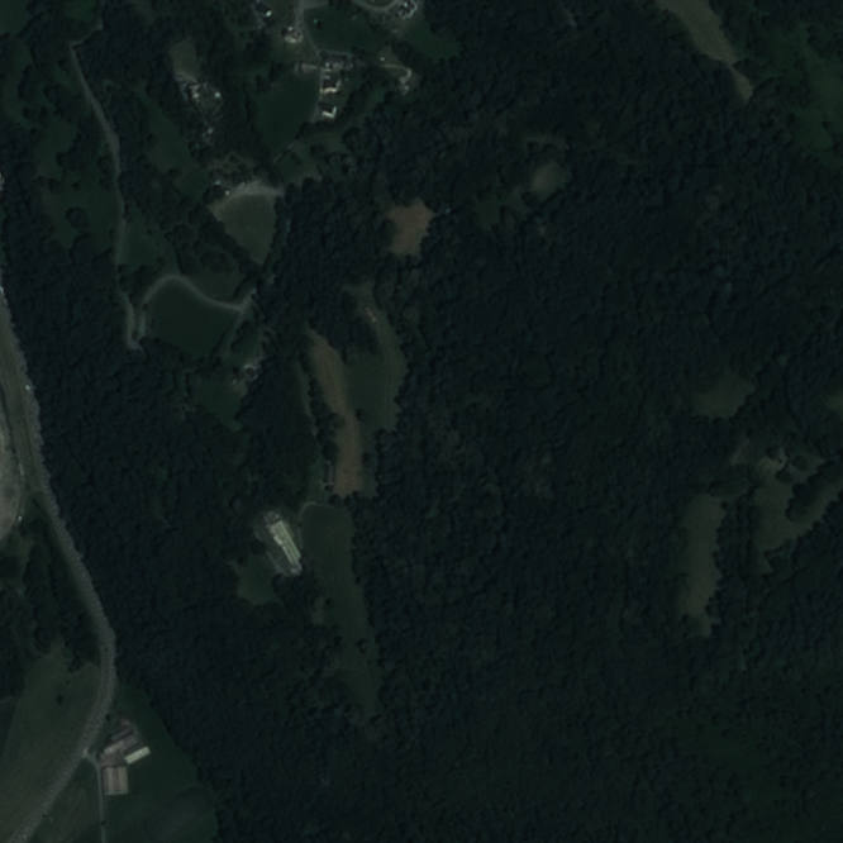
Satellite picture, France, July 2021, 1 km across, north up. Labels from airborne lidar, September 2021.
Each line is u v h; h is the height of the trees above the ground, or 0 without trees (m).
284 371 27
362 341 17
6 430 0
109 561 15
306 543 0
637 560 20
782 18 17
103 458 13
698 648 24
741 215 30
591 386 20
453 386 23
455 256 19
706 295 26
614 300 20
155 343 11
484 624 15
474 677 23
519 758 17
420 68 12
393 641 26
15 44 17
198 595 18
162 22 9
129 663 19
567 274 22
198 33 7
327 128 14
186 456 18
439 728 22
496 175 17
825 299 13
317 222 12
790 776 6
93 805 0
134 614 17
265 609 10
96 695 0
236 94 22
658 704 20
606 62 22
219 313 0
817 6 23
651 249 26
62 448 19
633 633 21
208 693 16
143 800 0
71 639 10
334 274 12
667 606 21
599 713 12
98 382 22
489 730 19
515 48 23
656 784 19
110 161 12
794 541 13
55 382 15
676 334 17
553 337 21
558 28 24
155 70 12
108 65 18
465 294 24
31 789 0
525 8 25
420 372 24
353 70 6
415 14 0
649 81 31
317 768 7
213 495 19
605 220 16
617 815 20
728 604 20
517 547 20
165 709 13
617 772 21
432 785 19
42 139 16
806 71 9
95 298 24
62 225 0
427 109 8
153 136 13
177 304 0
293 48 0
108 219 0
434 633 21
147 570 18
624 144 9
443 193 26
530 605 22
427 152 23
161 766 0
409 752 15
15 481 0
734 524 14
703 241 25
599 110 18
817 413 19
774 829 9
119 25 22
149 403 18
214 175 12
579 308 20
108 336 18
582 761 15
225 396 0
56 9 22
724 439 25
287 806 21
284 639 21
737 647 11
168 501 17
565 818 22
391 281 20
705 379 9
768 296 23
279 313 19
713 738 0
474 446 20
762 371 11
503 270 21
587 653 14
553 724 17
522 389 17
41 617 23
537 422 17
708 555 0
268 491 21
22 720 0
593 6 20
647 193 27
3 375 0
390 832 25
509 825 22
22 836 0
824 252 12
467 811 21
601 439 6
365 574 10
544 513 23
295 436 11
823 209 17
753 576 16
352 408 0
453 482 20
